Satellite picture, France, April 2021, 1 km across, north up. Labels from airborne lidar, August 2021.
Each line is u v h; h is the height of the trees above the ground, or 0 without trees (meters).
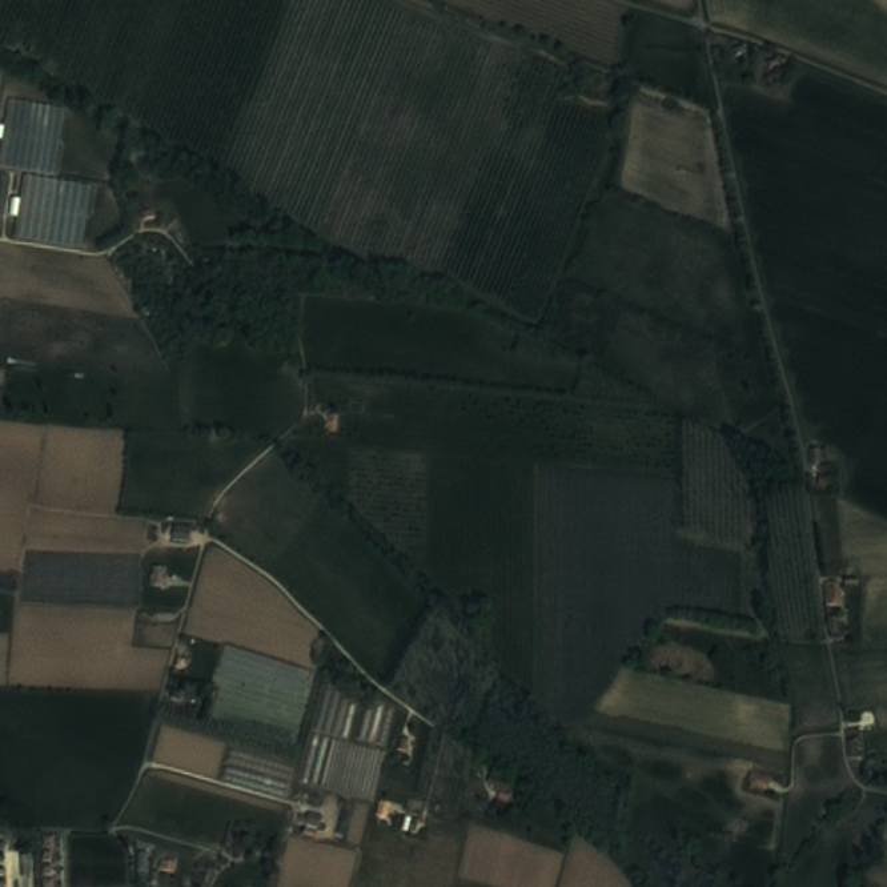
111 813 0
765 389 0
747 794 0
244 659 0
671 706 0
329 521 0
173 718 22
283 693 0
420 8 0
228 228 0
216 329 18
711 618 17
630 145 0
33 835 12
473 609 22
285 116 5
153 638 0
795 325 0
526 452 0
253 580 0
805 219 0
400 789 0
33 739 0
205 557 0
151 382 0
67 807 0
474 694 33
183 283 13
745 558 0
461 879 0
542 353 15
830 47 0
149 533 0
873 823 0
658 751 0
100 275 0
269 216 29
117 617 0
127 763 0
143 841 0
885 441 0
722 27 0
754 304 7
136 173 23
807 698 0
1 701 0
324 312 0
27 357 0
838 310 0
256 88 6
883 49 0
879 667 0
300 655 0
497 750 19
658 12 0
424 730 0
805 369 0
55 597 0
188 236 0
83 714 0
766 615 28
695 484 0
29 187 0
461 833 0
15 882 0
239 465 0
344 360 0
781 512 0
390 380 16
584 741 0
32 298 0
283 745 30
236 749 27
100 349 0
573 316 0
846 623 8
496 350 0
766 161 0
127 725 0
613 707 0
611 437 0
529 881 0
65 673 0
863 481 0
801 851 5
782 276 0
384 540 15
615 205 0
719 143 11
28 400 0
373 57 6
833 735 0
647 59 0
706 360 0
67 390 0
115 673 0
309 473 22
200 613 0
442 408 0
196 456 0
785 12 0
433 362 0
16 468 0
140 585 0
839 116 0
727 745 0
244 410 0
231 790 0
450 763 30
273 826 0
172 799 0
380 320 0
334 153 6
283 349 18
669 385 0
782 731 0
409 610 0
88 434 0
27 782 0
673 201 0
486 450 0
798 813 0
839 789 0
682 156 0
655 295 0
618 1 0
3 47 15
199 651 0
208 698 7
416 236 6
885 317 0
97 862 0
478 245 5
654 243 0
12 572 0
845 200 0
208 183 30
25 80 15
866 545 0
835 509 0
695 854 14
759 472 35
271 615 0
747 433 0
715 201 0
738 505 0
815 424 0
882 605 0
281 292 19
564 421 0
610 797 16
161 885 7
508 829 0
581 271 0
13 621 0
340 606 0
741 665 0
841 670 0
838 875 0
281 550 0
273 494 0
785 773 0
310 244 24
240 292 17
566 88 10
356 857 0
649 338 0
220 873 0
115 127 13
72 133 0
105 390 0
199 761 0
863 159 0
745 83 7
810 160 0
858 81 0
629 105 8
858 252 0
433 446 0
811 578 0
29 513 0
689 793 0
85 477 0
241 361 0
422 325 0
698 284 0
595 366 14
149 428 0
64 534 0
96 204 0
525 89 6
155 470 0
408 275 20
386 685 8
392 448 0
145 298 8
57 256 0
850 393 0
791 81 7
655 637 15
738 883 17
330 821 0
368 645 0
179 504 0
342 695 15
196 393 0
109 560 0
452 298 17
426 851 0
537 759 19
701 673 0
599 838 19
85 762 0
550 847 0
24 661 0
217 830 0
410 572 20
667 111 8
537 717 26
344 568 0
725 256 0
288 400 0
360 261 6
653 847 8
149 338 0
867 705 0
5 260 0
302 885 0
